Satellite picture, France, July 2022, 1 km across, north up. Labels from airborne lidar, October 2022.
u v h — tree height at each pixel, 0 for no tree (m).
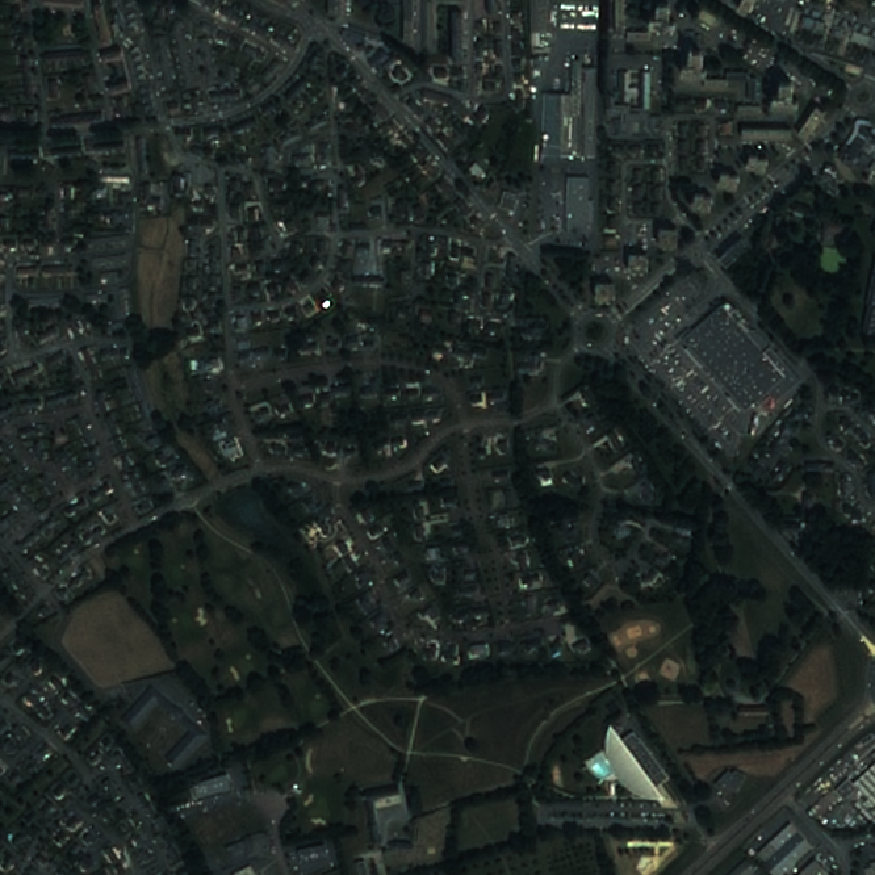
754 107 0
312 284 0
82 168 0
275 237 0
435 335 6
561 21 0
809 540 25
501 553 0
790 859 0
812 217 7
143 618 8
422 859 0
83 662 0
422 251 8
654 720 0
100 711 7
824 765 0
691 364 0
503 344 15
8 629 0
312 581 0
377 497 9
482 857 9
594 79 0
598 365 11
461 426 0
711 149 0
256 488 15
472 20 0
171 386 0
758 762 0
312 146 0
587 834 8
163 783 16
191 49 0
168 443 12
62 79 6
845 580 21
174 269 0
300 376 0
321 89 0
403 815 0
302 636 0
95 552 0
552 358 0
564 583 15
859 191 18
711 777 0
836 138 12
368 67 0
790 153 0
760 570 0
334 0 0
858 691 0
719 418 0
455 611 6
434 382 0
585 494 8
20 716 0
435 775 0
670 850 0
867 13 0
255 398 0
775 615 0
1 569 0
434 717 0
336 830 10
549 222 0
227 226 0
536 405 0
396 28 10
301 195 8
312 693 0
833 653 0
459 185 14
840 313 24
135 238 0
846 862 0
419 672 13
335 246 0
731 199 14
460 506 9
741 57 10
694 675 0
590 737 0
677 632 0
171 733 0
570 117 0
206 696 18
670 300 0
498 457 0
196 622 0
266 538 0
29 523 0
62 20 17
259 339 0
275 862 0
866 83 0
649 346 0
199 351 0
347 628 0
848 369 18
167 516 9
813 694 0
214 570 0
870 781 0
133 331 20
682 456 11
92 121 0
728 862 0
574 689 0
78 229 6
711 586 28
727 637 24
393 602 0
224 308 15
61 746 0
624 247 0
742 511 0
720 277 0
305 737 11
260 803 0
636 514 7
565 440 0
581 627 14
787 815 0
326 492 0
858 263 25
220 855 0
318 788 0
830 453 0
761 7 0
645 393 14
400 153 8
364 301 0
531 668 9
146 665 0
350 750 0
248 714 0
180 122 0
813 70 17
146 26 8
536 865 6
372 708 0
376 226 0
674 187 12
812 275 21
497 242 0
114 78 7
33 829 7
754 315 0
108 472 0
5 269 0
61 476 0
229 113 0
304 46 0
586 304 0
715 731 13
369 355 0
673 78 10
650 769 0
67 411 0
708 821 18
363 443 8
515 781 7
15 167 17
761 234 19
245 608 0
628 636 0
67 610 12
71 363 10
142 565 0
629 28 0
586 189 0
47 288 0
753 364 0
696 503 15
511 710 0
